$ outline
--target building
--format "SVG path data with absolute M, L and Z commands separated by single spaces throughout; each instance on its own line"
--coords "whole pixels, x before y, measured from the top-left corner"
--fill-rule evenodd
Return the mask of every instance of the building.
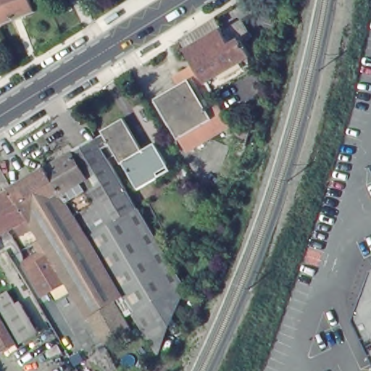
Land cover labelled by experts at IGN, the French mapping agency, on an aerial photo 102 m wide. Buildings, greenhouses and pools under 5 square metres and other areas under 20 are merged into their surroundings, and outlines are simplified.
M 355 323 L 362 338 L 371 342 L 371 271 L 355 312 Z
M 145 46 L 141 54 L 148 54 L 152 49 L 158 48 L 157 42 Z
M 16 301 L 12 300 L 9 293 L 0 293 L 0 351 L 4 351 L 16 341 L 22 343 L 35 333 L 25 310 Z
M 212 90 L 229 83 L 230 80 L 238 83 L 245 80 L 249 74 L 246 71 L 248 59 L 245 51 L 238 46 L 238 42 L 233 41 L 236 33 L 243 35 L 246 32 L 243 23 L 233 23 L 228 32 L 220 35 L 216 19 L 209 20 L 199 28 L 185 32 L 178 39 L 177 42 L 183 45 L 181 54 L 190 64 L 190 68 L 175 72 L 174 77 L 162 83 L 157 78 L 149 86 L 149 90 L 155 94 L 152 97 L 152 104 L 165 128 L 170 130 L 174 141 L 181 146 L 181 151 L 183 155 L 193 154 L 200 143 L 204 145 L 204 141 L 214 138 L 220 145 L 228 146 L 226 155 L 230 157 L 245 152 L 246 133 L 229 132 L 229 126 L 220 119 L 220 112 L 217 104 L 223 100 L 214 96 Z
M 122 167 L 128 177 L 128 183 L 122 185 L 112 164 L 104 157 L 104 148 Z M 96 341 L 104 343 L 107 336 L 117 328 L 133 328 L 136 325 L 146 338 L 151 339 L 152 352 L 158 354 L 159 351 L 159 342 L 164 336 L 167 323 L 171 320 L 178 301 L 181 300 L 175 290 L 181 280 L 178 274 L 175 274 L 171 275 L 172 281 L 168 280 L 170 275 L 162 267 L 155 233 L 149 230 L 142 214 L 135 206 L 130 200 L 129 193 L 133 190 L 141 191 L 146 185 L 152 184 L 167 174 L 168 170 L 157 146 L 155 142 L 149 141 L 148 145 L 141 148 L 130 133 L 125 120 L 117 119 L 109 125 L 101 126 L 100 129 L 96 128 L 91 136 L 90 142 L 84 139 L 78 145 L 71 146 L 72 152 L 59 158 L 52 157 L 51 162 L 45 162 L 42 167 L 29 172 L 23 177 L 22 183 L 0 183 L 0 236 L 6 232 L 10 233 L 10 230 L 16 230 L 23 245 L 32 248 L 28 258 L 19 259 L 20 264 L 25 268 L 41 299 L 43 296 L 51 296 L 52 290 L 59 285 L 67 288 L 67 294 L 54 301 L 72 335 L 80 341 L 83 351 Z
M 23 22 L 32 10 L 28 0 L 0 0 L 0 28 L 14 22 L 17 17 Z

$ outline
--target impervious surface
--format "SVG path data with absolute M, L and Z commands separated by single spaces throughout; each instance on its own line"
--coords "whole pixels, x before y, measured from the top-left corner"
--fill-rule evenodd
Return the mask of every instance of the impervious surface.
M 306 257 L 301 262 L 300 270 L 294 272 L 293 280 L 288 283 L 288 290 L 293 293 L 288 300 L 287 312 L 283 313 L 280 332 L 275 332 L 275 343 L 270 358 L 261 371 L 371 371 L 371 342 L 362 338 L 355 323 L 355 312 L 371 271 L 371 25 L 370 38 L 365 38 L 362 45 L 364 58 L 361 59 L 361 72 L 357 74 L 359 84 L 352 104 L 354 112 L 346 129 L 345 139 L 341 141 L 341 155 L 335 161 L 335 170 L 329 178 L 326 194 L 323 194 L 319 219 L 313 226 L 313 236 L 304 243 L 309 248 Z
M 20 264 L 16 267 L 17 272 L 25 281 L 30 293 L 38 300 L 55 335 L 62 339 L 67 348 L 65 351 L 59 351 L 57 357 L 49 357 L 46 362 L 42 359 L 36 364 L 36 370 L 32 371 L 86 371 L 91 364 L 87 358 L 96 352 L 106 351 L 106 346 L 104 343 L 96 341 L 83 351 L 80 341 L 72 335 L 54 301 L 67 294 L 67 288 L 59 285 L 52 290 L 51 296 L 43 296 L 41 299 L 25 268 Z
M 175 164 L 190 167 L 191 171 L 194 171 L 190 175 L 191 181 L 200 185 L 199 190 L 209 199 L 219 190 L 216 172 L 222 168 L 226 155 L 228 146 L 220 145 L 214 138 L 204 141 L 204 145 L 200 143 L 193 154 L 183 155 L 181 151 L 170 155 L 165 146 L 157 146 L 168 170 Z
M 214 96 L 223 100 L 217 104 L 220 112 L 233 103 L 239 106 L 254 99 L 255 91 L 252 84 L 257 81 L 257 77 L 249 74 L 245 80 L 238 83 L 230 80 L 229 83 L 212 90 Z
M 129 193 L 130 200 L 135 206 L 142 201 L 142 197 L 164 193 L 164 188 L 168 184 L 157 188 L 152 184 L 146 185 L 141 191 L 133 190 Z
M 9 355 L 4 357 L 4 351 L 0 351 L 0 371 L 25 371 L 25 367 L 17 367 L 16 359 L 10 358 Z
M 72 117 L 72 107 L 101 90 L 113 104 L 122 110 L 125 120 L 130 133 L 141 148 L 148 145 L 149 141 L 155 142 L 157 129 L 152 120 L 143 116 L 141 99 L 136 94 L 142 93 L 146 101 L 152 104 L 152 97 L 155 94 L 149 90 L 149 86 L 157 78 L 162 83 L 174 77 L 175 72 L 190 68 L 190 64 L 181 54 L 183 45 L 177 42 L 178 39 L 185 32 L 199 28 L 209 20 L 216 19 L 220 35 L 228 32 L 233 23 L 243 23 L 246 32 L 243 35 L 236 33 L 233 41 L 238 42 L 238 46 L 245 51 L 248 59 L 254 57 L 254 42 L 259 38 L 261 30 L 272 28 L 270 17 L 258 9 L 245 10 L 243 0 L 116 0 L 119 4 L 109 12 L 101 14 L 93 26 L 86 26 L 86 23 L 83 23 L 80 32 L 38 57 L 33 52 L 36 41 L 29 38 L 23 22 L 17 17 L 14 22 L 17 35 L 25 42 L 28 57 L 23 58 L 22 65 L 13 70 L 0 75 L 0 183 L 22 183 L 23 177 L 29 172 L 28 165 L 25 165 L 13 146 L 14 139 L 39 128 L 42 123 L 49 120 L 51 123 L 57 123 L 59 129 L 64 132 L 64 138 L 71 142 L 71 146 L 78 145 L 84 139 L 90 142 L 91 136 L 86 132 L 84 123 Z M 158 48 L 152 49 L 148 54 L 141 54 L 145 46 L 157 42 Z M 114 78 L 126 71 L 129 71 L 133 78 L 133 87 L 130 88 L 132 96 L 122 97 L 119 90 L 113 87 Z

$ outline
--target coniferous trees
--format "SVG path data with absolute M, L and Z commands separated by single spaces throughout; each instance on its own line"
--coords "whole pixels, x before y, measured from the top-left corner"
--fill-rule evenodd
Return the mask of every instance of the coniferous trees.
M 243 0 L 245 10 L 258 9 L 270 17 L 278 12 L 281 0 Z

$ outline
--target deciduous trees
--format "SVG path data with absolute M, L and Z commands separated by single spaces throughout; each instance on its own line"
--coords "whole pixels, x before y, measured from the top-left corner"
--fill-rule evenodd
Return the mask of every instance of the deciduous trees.
M 96 128 L 100 129 L 101 126 L 103 114 L 112 109 L 113 104 L 101 90 L 72 107 L 72 117 L 84 123 L 86 132 L 91 136 Z
M 119 357 L 132 354 L 132 352 L 129 351 L 129 346 L 132 345 L 132 342 L 139 341 L 139 339 L 141 339 L 141 341 L 143 342 L 143 348 L 145 348 L 146 351 L 142 357 L 141 367 L 136 367 L 135 365 L 120 367 L 120 371 L 152 371 L 162 362 L 165 364 L 174 358 L 168 349 L 159 351 L 158 354 L 152 352 L 151 339 L 146 338 L 136 325 L 133 328 L 117 328 L 107 336 L 104 343 L 106 346 Z
M 165 128 L 152 104 L 146 101 L 142 93 L 136 94 L 141 99 L 143 116 L 152 120 L 157 129 L 155 142 L 157 146 L 165 146 L 170 155 L 181 151 L 181 146 L 174 141 L 170 130 Z
M 174 191 L 183 194 L 185 206 L 196 217 L 197 222 L 194 223 L 187 241 L 180 235 L 181 229 L 184 228 L 180 223 L 171 223 L 167 226 L 165 239 L 155 233 L 162 267 L 170 275 L 168 280 L 172 281 L 171 275 L 175 274 L 178 274 L 181 280 L 175 290 L 181 300 L 178 301 L 171 320 L 174 323 L 172 335 L 185 342 L 196 330 L 209 320 L 209 303 L 225 290 L 226 281 L 242 245 L 238 242 L 233 245 L 226 239 L 230 223 L 226 214 L 233 210 L 232 206 L 229 206 L 229 200 L 251 203 L 251 180 L 257 181 L 259 165 L 267 167 L 271 155 L 270 141 L 274 114 L 284 101 L 290 78 L 288 57 L 293 54 L 293 45 L 297 39 L 296 28 L 301 22 L 301 12 L 312 0 L 281 0 L 278 12 L 270 17 L 272 28 L 261 30 L 259 38 L 254 42 L 254 57 L 248 59 L 246 71 L 249 74 L 257 77 L 257 81 L 252 84 L 255 91 L 254 99 L 239 106 L 233 103 L 220 112 L 220 119 L 229 126 L 229 132 L 246 133 L 245 152 L 230 157 L 226 155 L 222 168 L 216 172 L 219 190 L 209 199 L 199 190 L 200 185 L 191 181 L 190 175 L 194 171 L 191 171 L 190 167 L 175 164 L 168 170 L 167 174 L 152 184 L 157 188 L 168 184 L 180 172 L 183 178 L 178 180 Z
M 45 30 L 49 30 L 48 20 L 51 17 L 57 17 L 57 14 L 64 13 L 71 7 L 75 7 L 75 13 L 83 23 L 86 23 L 86 26 L 93 26 L 101 14 L 109 12 L 119 4 L 116 0 L 28 0 L 32 10 L 38 9 L 45 17 L 45 20 L 41 20 Z
M 12 55 L 0 42 L 0 75 L 13 70 L 10 67 Z
M 126 71 L 114 78 L 113 87 L 119 90 L 122 97 L 132 96 L 130 88 L 133 87 L 133 78 L 129 71 Z

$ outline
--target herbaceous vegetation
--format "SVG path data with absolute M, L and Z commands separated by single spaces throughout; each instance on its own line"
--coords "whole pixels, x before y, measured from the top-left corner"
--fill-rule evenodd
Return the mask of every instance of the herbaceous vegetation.
M 25 42 L 17 35 L 14 22 L 0 28 L 0 42 L 12 55 L 10 67 L 13 70 L 22 65 L 23 58 L 28 57 Z
M 104 148 L 104 157 L 112 164 L 122 185 L 128 183 L 128 177 L 122 167 Z
M 122 110 L 113 104 L 112 109 L 103 114 L 101 126 L 109 125 L 117 119 L 125 120 Z
M 143 348 L 143 342 L 141 341 L 141 339 L 139 339 L 139 341 L 132 342 L 132 345 L 129 346 L 129 351 L 132 352 L 132 354 L 133 358 L 135 358 L 135 365 L 136 367 L 141 367 L 142 357 L 146 351 L 145 348 Z
M 0 293 L 9 293 L 12 300 L 16 301 L 20 293 L 0 268 Z
M 226 214 L 230 223 L 226 239 L 233 245 L 238 242 L 242 245 L 243 233 L 248 229 L 249 220 L 254 214 L 255 199 L 264 181 L 267 167 L 259 165 L 257 181 L 251 180 L 251 203 L 229 200 L 229 206 L 232 206 L 233 210 Z
M 91 364 L 86 371 L 120 371 L 120 367 L 119 357 L 106 346 L 106 351 L 96 352 L 87 358 Z
M 288 300 L 293 293 L 288 290 L 288 283 L 293 280 L 294 272 L 300 270 L 301 262 L 306 257 L 309 248 L 304 243 L 313 236 L 313 226 L 319 219 L 323 194 L 326 194 L 329 178 L 335 170 L 335 161 L 341 155 L 341 141 L 345 139 L 346 129 L 354 112 L 352 104 L 359 84 L 357 74 L 361 72 L 361 59 L 364 58 L 362 45 L 365 38 L 370 38 L 371 25 L 371 0 L 352 0 L 352 22 L 346 23 L 342 29 L 332 83 L 309 162 L 304 167 L 303 178 L 294 194 L 293 206 L 288 210 L 284 228 L 272 252 L 270 268 L 261 275 L 261 278 L 255 280 L 254 299 L 242 325 L 236 329 L 238 335 L 219 371 L 261 371 L 270 358 L 275 343 L 275 332 L 280 332 L 283 313 L 287 312 Z
M 83 23 L 75 13 L 75 7 L 71 7 L 64 13 L 57 14 L 57 17 L 51 17 L 48 20 L 49 30 L 45 30 L 41 20 L 45 20 L 45 17 L 38 9 L 32 10 L 23 22 L 29 38 L 36 41 L 33 52 L 38 57 L 80 32 Z
M 293 45 L 293 54 L 288 57 L 290 78 L 299 52 L 299 41 L 304 32 L 304 23 L 301 22 L 296 28 L 297 39 Z
M 183 178 L 180 172 L 168 184 L 164 188 L 164 193 L 142 197 L 142 201 L 135 206 L 142 214 L 149 230 L 155 233 L 165 239 L 167 226 L 171 223 L 180 223 L 184 228 L 181 229 L 180 235 L 187 241 L 194 223 L 197 222 L 196 217 L 185 206 L 183 194 L 174 191 L 178 180 Z
M 168 349 L 174 358 L 165 364 L 162 362 L 152 371 L 183 371 L 185 365 L 190 365 L 194 351 L 199 346 L 200 339 L 196 335 L 196 330 L 185 342 L 172 335 L 174 323 L 171 320 L 167 323 L 164 336 L 159 342 L 159 351 Z

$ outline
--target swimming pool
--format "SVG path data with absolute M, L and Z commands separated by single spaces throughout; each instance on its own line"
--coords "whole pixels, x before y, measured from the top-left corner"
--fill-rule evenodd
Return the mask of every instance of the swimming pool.
M 133 358 L 132 354 L 119 357 L 120 367 L 135 365 L 135 358 Z

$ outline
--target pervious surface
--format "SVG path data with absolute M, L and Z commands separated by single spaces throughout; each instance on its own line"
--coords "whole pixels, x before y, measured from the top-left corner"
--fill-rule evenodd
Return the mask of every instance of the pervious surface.
M 190 365 L 185 365 L 183 371 L 219 371 L 238 335 L 236 329 L 242 325 L 254 299 L 255 280 L 261 278 L 261 275 L 270 268 L 272 252 L 284 228 L 288 210 L 293 206 L 294 194 L 303 178 L 304 167 L 309 162 L 332 83 L 342 29 L 346 23 L 352 22 L 352 0 L 312 0 L 301 12 L 301 22 L 304 23 L 304 32 L 299 41 L 299 52 L 290 78 L 284 101 L 274 114 L 270 141 L 271 155 L 267 167 L 264 181 L 255 199 L 254 214 L 249 220 L 248 229 L 243 233 L 242 245 L 226 281 L 225 290 L 209 303 L 209 320 L 196 330 L 196 335 L 200 339 L 199 346 L 194 351 Z
M 38 300 L 30 293 L 25 281 L 17 272 L 16 267 L 20 264 L 19 259 L 28 258 L 32 248 L 23 245 L 16 230 L 10 230 L 10 233 L 6 232 L 0 236 L 0 268 L 20 293 L 16 301 L 25 310 L 35 333 L 22 343 L 16 341 L 4 351 L 4 357 L 9 355 L 10 358 L 16 359 L 17 367 L 25 367 L 25 371 L 32 371 L 36 370 L 36 364 L 42 359 L 46 362 L 49 357 L 57 357 L 59 351 L 65 351 L 67 348 L 62 339 L 55 335 Z
M 51 162 L 52 157 L 59 158 L 72 152 L 71 146 L 71 142 L 64 138 L 64 132 L 59 129 L 57 123 L 51 123 L 49 120 L 42 123 L 39 128 L 14 139 L 13 146 L 25 165 L 28 165 L 29 172 L 42 167 L 45 162 Z

